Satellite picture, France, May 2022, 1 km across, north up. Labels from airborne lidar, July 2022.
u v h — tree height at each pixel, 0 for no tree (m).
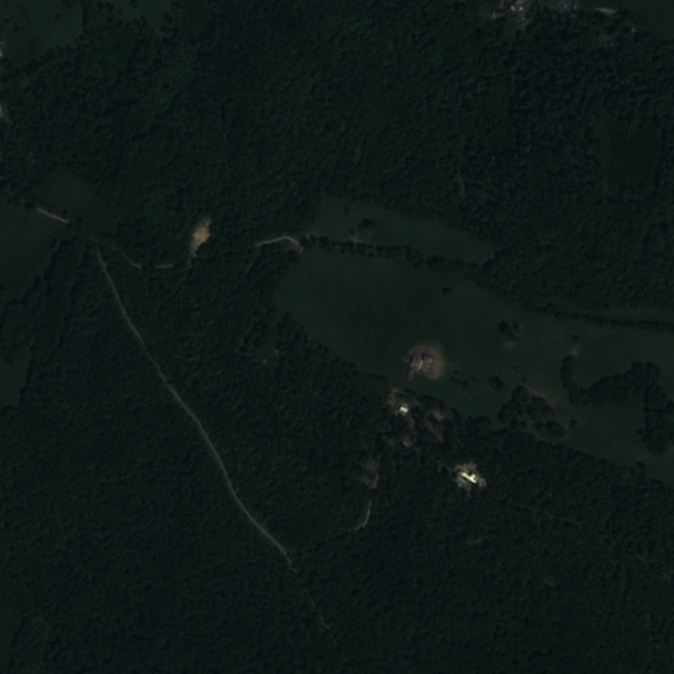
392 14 30
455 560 19
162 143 20
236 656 13
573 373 22
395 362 0
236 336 14
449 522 16
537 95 17
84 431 16
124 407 19
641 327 10
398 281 0
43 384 14
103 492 17
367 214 0
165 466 16
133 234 17
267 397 13
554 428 18
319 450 11
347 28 11
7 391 0
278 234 8
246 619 19
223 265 14
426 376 0
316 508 9
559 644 24
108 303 18
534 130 24
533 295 12
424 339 0
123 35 9
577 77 17
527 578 21
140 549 15
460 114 29
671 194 20
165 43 8
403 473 20
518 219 18
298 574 8
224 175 15
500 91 12
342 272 0
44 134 21
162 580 16
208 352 11
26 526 20
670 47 18
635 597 18
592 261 22
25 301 14
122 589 9
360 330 0
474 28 12
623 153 7
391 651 18
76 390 18
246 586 17
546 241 18
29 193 15
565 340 0
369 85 18
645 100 11
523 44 15
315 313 0
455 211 19
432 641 17
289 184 14
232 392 10
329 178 11
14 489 19
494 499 17
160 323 14
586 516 16
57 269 19
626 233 17
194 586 18
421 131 16
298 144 13
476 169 24
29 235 0
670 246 18
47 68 9
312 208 15
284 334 17
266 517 9
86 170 13
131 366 18
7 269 0
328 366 9
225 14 21
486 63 9
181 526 19
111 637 21
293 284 0
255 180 12
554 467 16
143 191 25
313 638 17
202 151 22
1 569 15
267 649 15
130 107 27
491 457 12
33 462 18
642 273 19
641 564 15
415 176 20
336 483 15
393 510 12
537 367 0
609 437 0
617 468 7
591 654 22
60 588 17
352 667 19
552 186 20
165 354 14
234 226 14
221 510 12
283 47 18
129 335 20
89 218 0
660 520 15
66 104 20
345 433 19
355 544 16
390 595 20
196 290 13
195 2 7
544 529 17
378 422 9
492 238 17
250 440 9
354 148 12
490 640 22
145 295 13
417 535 11
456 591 18
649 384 11
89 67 27
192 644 20
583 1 0
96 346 19
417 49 20
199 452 13
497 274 14
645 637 18
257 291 13
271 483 7
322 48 18
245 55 17
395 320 0
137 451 16
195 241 0
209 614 14
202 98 21
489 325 0
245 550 14
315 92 13
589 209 21
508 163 24
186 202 20
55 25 0
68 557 19
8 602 16
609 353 0
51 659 15
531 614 29
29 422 17
